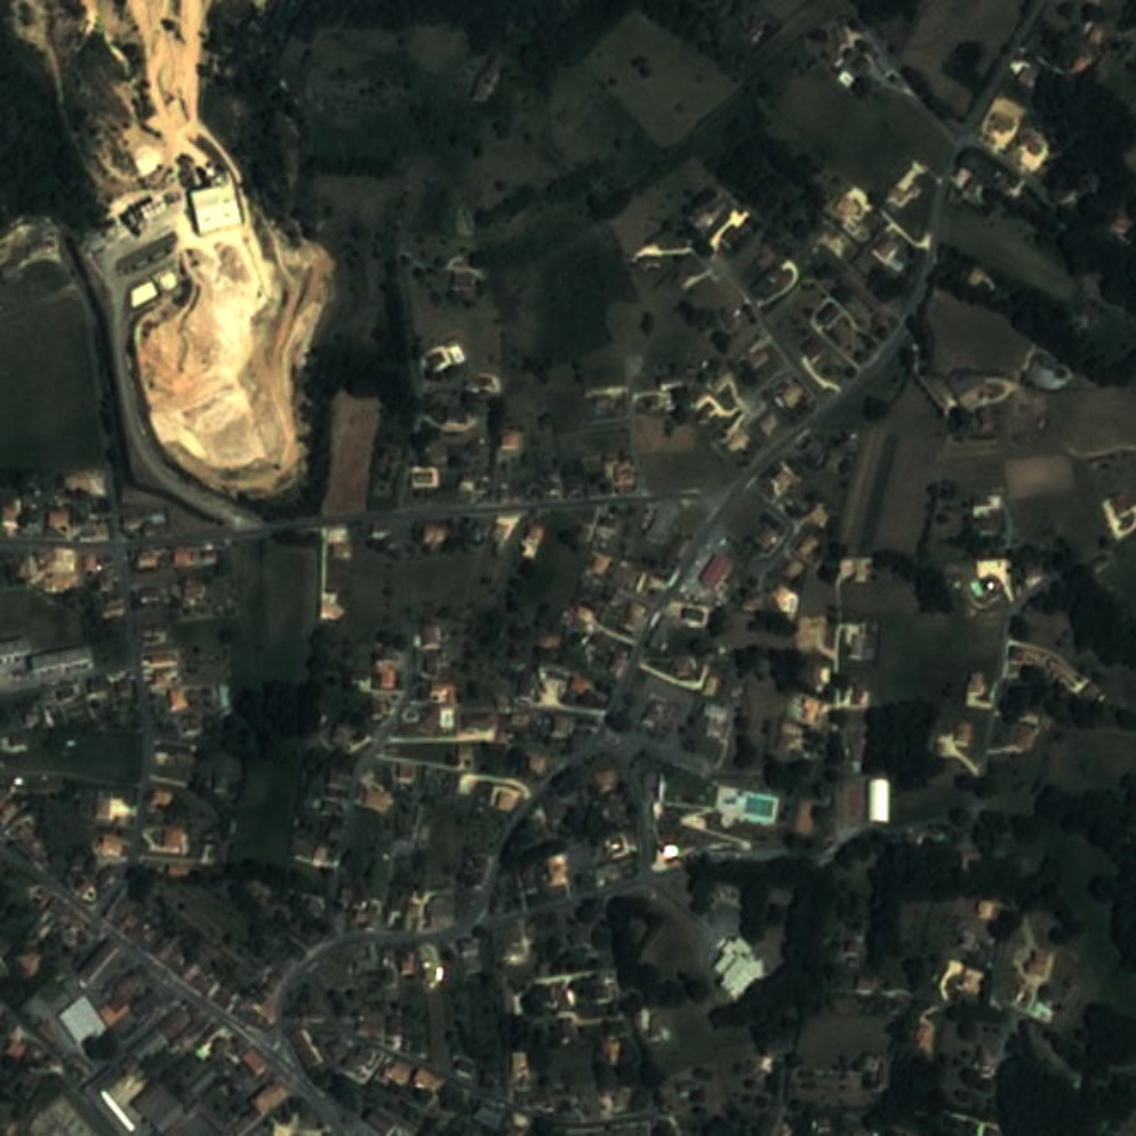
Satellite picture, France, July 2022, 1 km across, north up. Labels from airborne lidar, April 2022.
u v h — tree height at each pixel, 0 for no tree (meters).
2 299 0
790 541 0
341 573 0
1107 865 0
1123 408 0
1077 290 0
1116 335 0
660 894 0
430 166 0
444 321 0
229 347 0
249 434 0
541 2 15
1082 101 20
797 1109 14
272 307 0
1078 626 12
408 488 0
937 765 16
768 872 15
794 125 0
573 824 12
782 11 0
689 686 0
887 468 0
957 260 14
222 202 0
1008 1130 16
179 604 8
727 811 0
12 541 0
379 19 7
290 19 9
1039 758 0
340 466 0
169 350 0
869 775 14
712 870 16
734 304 0
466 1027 9
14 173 16
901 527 0
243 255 0
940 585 15
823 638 0
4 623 0
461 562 0
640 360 0
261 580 0
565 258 0
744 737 11
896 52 8
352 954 0
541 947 7
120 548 0
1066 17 7
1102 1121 14
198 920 0
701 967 0
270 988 0
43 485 0
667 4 10
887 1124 21
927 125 0
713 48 8
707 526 0
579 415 0
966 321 0
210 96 0
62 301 0
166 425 0
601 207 11
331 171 16
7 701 0
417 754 0
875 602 0
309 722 25
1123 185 15
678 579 0
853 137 0
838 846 0
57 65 0
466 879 7
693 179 0
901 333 0
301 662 0
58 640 0
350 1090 18
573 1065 0
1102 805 20
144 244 0
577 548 10
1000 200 7
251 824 0
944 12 0
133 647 0
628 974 12
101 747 0
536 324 0
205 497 0
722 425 0
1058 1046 12
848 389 0
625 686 0
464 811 0
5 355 0
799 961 16
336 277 0
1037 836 15
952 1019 13
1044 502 0
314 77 0
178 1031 0
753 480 0
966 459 0
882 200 7
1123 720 13
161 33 0
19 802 7
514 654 10
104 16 0
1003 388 0
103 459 0
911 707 13
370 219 0
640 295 0
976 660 0
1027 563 10
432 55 0
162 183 0
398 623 0
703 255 11
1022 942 0
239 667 0
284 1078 0
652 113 0
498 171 0
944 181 0
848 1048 0
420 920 0
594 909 21
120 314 0
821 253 0
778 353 0
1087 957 0
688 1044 0
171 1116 0
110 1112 0
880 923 17
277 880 13
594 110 0
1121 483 0
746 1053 0
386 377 13
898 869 20
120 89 0
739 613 0
